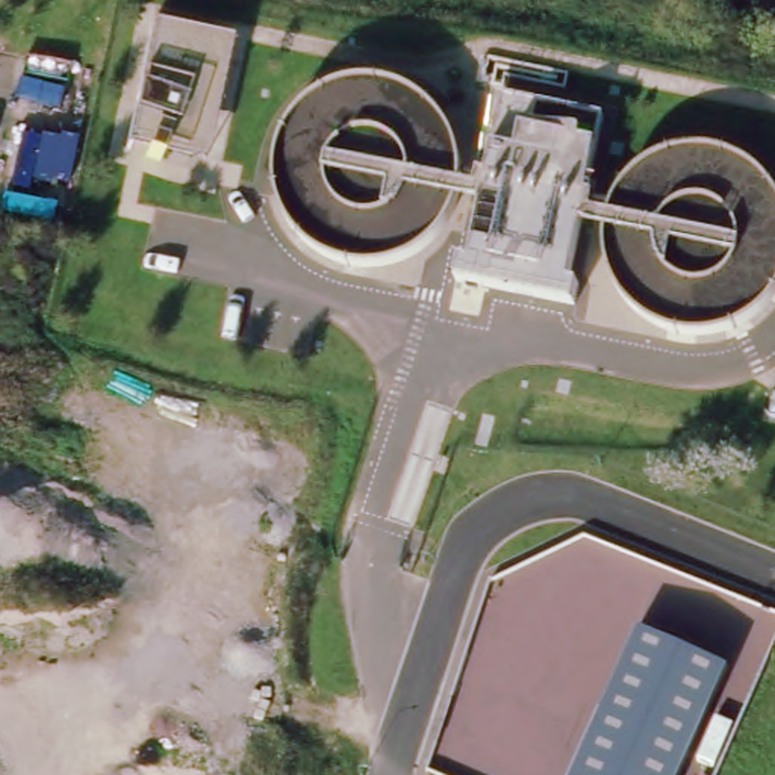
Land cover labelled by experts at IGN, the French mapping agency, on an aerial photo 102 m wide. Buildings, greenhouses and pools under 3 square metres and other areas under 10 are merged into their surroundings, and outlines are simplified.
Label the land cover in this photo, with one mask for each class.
<instances>
[{"label":"impervious surface","instance_id":"1","mask_svg":"<svg viewBox=\"0 0 775 775\"><path fill-rule=\"evenodd\" d=\"M179 15L163 12L157 3H145V12L133 27L136 67L121 88L115 124L103 139L106 157H121L124 167L118 215L151 224L142 269L227 288L230 306L221 318V339H236L245 351H282L312 357L321 351L327 327L333 324L336 330L351 336L372 363V378L378 391L372 421L369 445L339 533V539L348 542V554L339 563V599L345 612L351 663L357 675L354 693L363 699L366 711L381 730L375 754H363L360 775H569L575 754L584 742V733L593 724L612 669L621 660L630 630L642 618L651 630L678 636L696 645L699 651L724 660L717 684L702 708L699 727L690 736V745L675 775H721L717 760L724 742L730 730L742 721V711L748 708L754 687L775 651V551L575 472L521 475L487 490L448 524L430 578L415 575L427 536L415 530V524L430 478L445 472L442 442L451 424L448 409L460 403V397L475 381L509 366L566 363L636 381L687 388L696 394L730 391L754 381L763 388L766 397V418L775 424V269L754 303L727 318L672 321L645 309L621 288L605 254V227L615 224L648 233V251L657 260V269L678 282L714 279L733 263L739 227L736 206L745 200L742 188L736 185H730L727 194H717L711 188H678L663 194L651 212L612 203L618 188H624L645 163L675 148H711L733 157V167L751 170L763 185L766 212L775 218V179L751 151L714 136L660 139L636 151L612 176V182L590 167V188L578 206L581 221L572 251L575 288L569 303L484 291L475 282H454L451 275L454 248L466 245L478 233L472 227V215L478 191H490L496 185V170L478 160L484 85L475 76L472 58L487 48H515L575 67L599 70L602 76H624L645 88L681 97L714 91L711 79L678 76L642 64H621L618 58H596L509 36H472L466 45L457 39L451 48L442 51L406 54L394 70L342 67L300 85L285 100V106L279 109L263 136L254 182L239 185L242 167L227 160L221 170H209L206 163H200L188 173L182 163L163 157L160 139L139 142L127 136L130 124L124 121V115L145 94L151 61L157 48L167 45L163 33ZM357 76L384 79L415 94L439 121L451 151L448 170L412 163L403 136L391 124L375 118H351V127L372 130L391 139L397 145L394 157L336 148L339 133L327 130L318 163H324L327 170L336 167L345 173L375 176L378 197L384 203L397 197L400 182L445 191L436 221L418 239L375 254L339 251L312 239L291 218L275 185V139L285 115L309 94ZM145 176H157L167 182H191L200 191L212 194L224 188L227 206L221 209L218 221L148 206L142 203ZM687 197L721 206L727 212V224L721 227L666 215L669 203ZM672 236L684 242L714 245L721 251V260L705 269L675 266L666 257V242ZM566 518L584 521L590 533H578L566 542H557L500 572L484 563V557L515 533L545 521ZM254 42L324 58L336 48V42L315 33H294L263 24H257L254 30ZM33 54L15 51L0 39V206L6 203L3 197L12 194L9 182L18 167V151L27 127L33 133H76L85 124H91V70L76 64L73 94H61V106L51 109L39 106L30 97L18 100L15 94V85L21 82L24 70H33ZM727 103L754 109L775 106V100L748 88L717 91Z\"/></svg>","mask_w":775,"mask_h":775},{"label":"herbaceous vegetation","instance_id":"2","mask_svg":"<svg viewBox=\"0 0 775 775\"><path fill-rule=\"evenodd\" d=\"M145 3H157L163 12L179 15L224 24L233 30H254L257 24H263L294 33H315L336 42V48L324 58L254 42L239 106L230 112L227 160L242 167L239 185L254 182L263 136L279 109L285 106V100L300 85L342 67L394 70L406 54L442 51L451 48L457 39L439 21L415 15L412 9L375 18L366 3L345 6L339 0H0V39L15 51L33 54L67 58L76 64L91 70V124L85 160L106 157L103 139L115 124L121 88L136 67L133 27L145 12ZM509 88L599 103L602 130L590 139V167L612 182V176L636 151L660 139L714 136L751 151L775 179V106L754 109L727 103L717 91H714L681 97L645 88L624 76H602L599 70L575 67L566 85H554L542 73L509 70ZM124 167L121 157H109V188L97 197L85 194L82 188H73L51 212L61 224L79 233L67 242V251L54 257L42 318L54 330L79 333L103 348H118L124 354L145 357L167 369H179L212 381H230L239 388L309 394L315 400L336 403L339 415L354 412L363 421H372L378 391L372 378V363L351 336L336 330L333 324L327 327L321 351L312 357L282 351H245L236 339H221V318L230 306L227 288L142 269L151 224L118 215ZM142 203L148 206L218 221L221 209L227 206L224 188L212 194L200 191L191 182H167L157 176H145ZM451 424L442 442L445 472L430 478L415 524V530L427 536L415 575L430 578L448 524L487 490L521 475L575 472L775 551V424L766 418V397L763 388L754 381L730 391L696 394L687 388L636 381L566 363L509 366L475 381L460 397V403L448 409ZM696 445H736L757 460V469L748 472L739 487L721 481L717 493L669 490L648 478L645 457L651 451L657 454ZM578 533H590L584 521L566 518L545 521L515 533L484 557V563L500 572L557 542H566ZM312 678L333 696L354 693L357 675L351 663L345 612L339 599V563H333L324 572L315 590L309 627ZM721 775H775V651L754 687L748 708L742 711V721L730 730L724 742L717 760Z\"/></svg>","mask_w":775,"mask_h":775},{"label":"pervious surface","instance_id":"3","mask_svg":"<svg viewBox=\"0 0 775 775\"><path fill-rule=\"evenodd\" d=\"M61 418L82 424L85 436L103 451V466L91 481L118 500L142 506L151 515V524L139 527L118 515L100 512L97 521L109 530L103 542H94L88 533L67 524L51 506L39 509L36 515H27L9 500H0V566H21L39 557H61L79 566L109 569L124 581V587L115 596H103L91 605L18 612L0 599V775H230L242 763L248 739L257 730V724L263 717L279 714L294 717L300 724H312L318 730H339L363 748V754H375L381 730L366 711L363 699L354 693L333 696L312 678L297 681L294 675H288L291 645L285 587L291 566L300 560L297 539L291 536L297 515L291 503L300 496L309 478V457L297 445L272 439L257 442L254 430H245L236 415H224L215 403L151 397L145 406H127L121 394L106 397L100 391H70L64 397Z\"/></svg>","mask_w":775,"mask_h":775},{"label":"brushwood","instance_id":"4","mask_svg":"<svg viewBox=\"0 0 775 775\"><path fill-rule=\"evenodd\" d=\"M345 6L366 3L375 18L412 9L415 15L439 21L457 39L466 45L472 36H509L596 58H618L621 64H642L678 76L711 79L714 91H717L748 88L775 100V0H730L733 12L721 24L702 27V33L711 36V45L690 48L666 45L654 33L657 6L651 0H339ZM36 342H0V500H9L27 515H36L39 509L51 506L67 524L88 533L94 542H103L109 530L97 521L100 512L118 515L139 527L151 524V515L142 506L118 500L91 481L103 466V451L85 436L82 424L61 418L64 397L70 391H100L106 397L121 394L127 406H145L151 397L215 403L224 415H236L245 430H254L257 442L272 439L297 445L309 457V478L300 496L291 503L297 515L291 536L297 539L300 560L291 566L285 587L291 645L288 675H294L297 681L312 678L309 627L315 590L324 572L333 563H339L348 554V542L339 539V533L369 445L372 421H363L354 412L339 415L336 403L315 400L309 394L239 388L230 381H212L179 369H167L145 357L124 354L118 348H103L79 333L54 330L42 318L33 321ZM124 587V581L109 569L79 566L61 557H39L21 566H0V599L18 612L91 605L103 596H115ZM363 754V748L339 730H318L312 724H300L294 717L279 714L263 717L257 724V730L248 739L242 763L230 775H360Z\"/></svg>","mask_w":775,"mask_h":775},{"label":"building","instance_id":"5","mask_svg":"<svg viewBox=\"0 0 775 775\"><path fill-rule=\"evenodd\" d=\"M167 45L157 48L151 61L145 94L124 115V121L130 124L127 136L139 142L160 139L163 157L182 163L188 173L200 163H206L209 170H221L227 160L230 112L239 106L254 42V30H233L224 24L179 15L163 33ZM475 76L484 85L478 160L496 170V185L490 191H478L472 215V227L478 233L466 245L454 248L451 275L454 282H475L484 291L569 303L575 288L572 251L581 221L578 206L590 188V139L602 130L599 103L509 88V70L542 73L554 85H566L575 67L515 48H487L472 58ZM76 64L67 58L33 54V70H24L21 82L15 85V94L18 100L30 97L39 106L51 109L61 106V94H73ZM91 124H85L76 133H33L27 127L18 151V167L9 182L12 194L3 197L9 209L51 212L73 188H82L85 160ZM724 660L699 651L696 645L678 636L651 630L642 618L630 630L621 660L612 669L593 724L584 733V742L575 754L569 775H675L690 745V736L699 727L702 708L717 684Z\"/></svg>","mask_w":775,"mask_h":775},{"label":"water","instance_id":"6","mask_svg":"<svg viewBox=\"0 0 775 775\"><path fill-rule=\"evenodd\" d=\"M351 118H375L391 124L403 136L412 163L448 170L451 151L439 121L415 94L384 79L357 76L309 94L285 115L275 139V185L291 218L312 239L339 251L375 254L418 239L436 221L445 191L400 182L397 197L384 203L378 197L375 176L345 173L336 167L327 170L324 163H318L327 130L339 133L336 148L394 157L397 145L391 139L372 130L351 127ZM730 185H736L742 188L745 200L736 206L739 227L733 263L714 279L678 282L657 269V260L648 251V233L615 224L605 227V254L621 288L645 309L672 321L727 318L754 303L775 269V218L766 212L763 185L751 170L733 167V157L711 148H675L645 163L624 188H618L612 203L651 212L663 194L678 188H711L717 194H727ZM666 215L721 227L727 224V212L721 206L687 197L669 203ZM666 257L675 266L705 269L721 260V251L714 245L684 242L672 236L666 242Z\"/></svg>","mask_w":775,"mask_h":775},{"label":"deciduous trees","instance_id":"7","mask_svg":"<svg viewBox=\"0 0 775 775\"><path fill-rule=\"evenodd\" d=\"M657 6L654 33L666 45L690 48L711 45V36L702 33V27L721 24L733 12L730 0H651ZM109 188V157H106L85 160L82 188L85 194L97 197ZM79 233L61 224L51 212L9 209L6 203L0 206V342H36L33 321L42 318L54 257L67 251V242ZM757 469V460L736 445H696L657 454L651 451L645 457L648 478L669 490L717 493L721 481L739 487L748 472Z\"/></svg>","mask_w":775,"mask_h":775}]
</instances>
